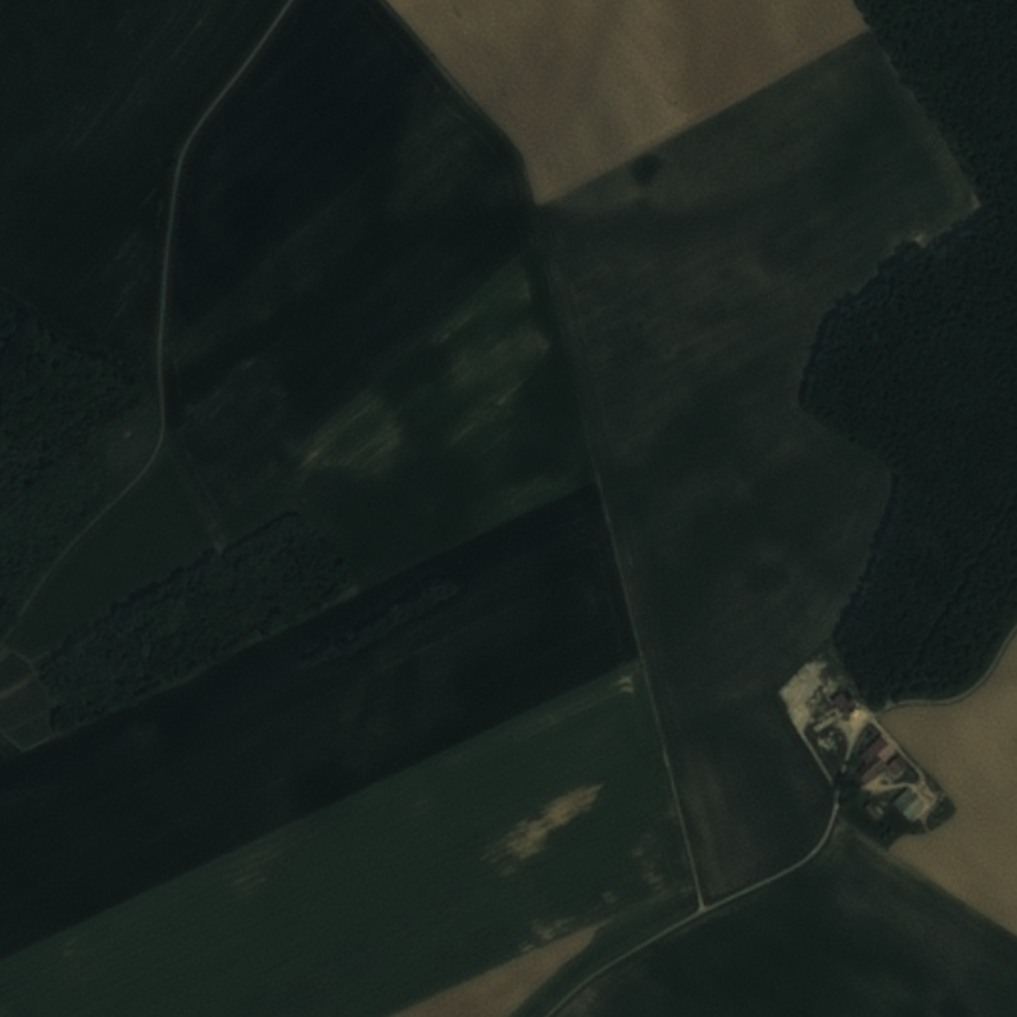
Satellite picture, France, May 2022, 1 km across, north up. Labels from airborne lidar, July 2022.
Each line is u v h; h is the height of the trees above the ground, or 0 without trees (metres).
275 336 0
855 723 0
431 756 0
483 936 0
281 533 16
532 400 0
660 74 0
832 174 0
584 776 0
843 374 23
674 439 0
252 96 0
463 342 0
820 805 0
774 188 0
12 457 19
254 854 0
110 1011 0
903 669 18
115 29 0
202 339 0
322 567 16
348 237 0
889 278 15
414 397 0
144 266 0
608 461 0
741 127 0
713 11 0
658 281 0
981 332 21
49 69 0
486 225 0
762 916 0
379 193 0
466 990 0
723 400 0
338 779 0
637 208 0
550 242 0
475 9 0
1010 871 0
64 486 22
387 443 0
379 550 0
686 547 0
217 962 0
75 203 0
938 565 22
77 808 0
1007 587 22
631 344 0
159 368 0
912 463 22
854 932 0
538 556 0
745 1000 0
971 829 0
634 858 0
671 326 0
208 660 11
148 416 0
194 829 0
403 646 0
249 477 0
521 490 0
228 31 0
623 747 0
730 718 0
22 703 0
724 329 0
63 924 0
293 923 0
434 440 0
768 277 0
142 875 0
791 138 0
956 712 0
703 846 0
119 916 0
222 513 0
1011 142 22
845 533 0
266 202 0
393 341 0
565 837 0
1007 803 0
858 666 13
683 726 0
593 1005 0
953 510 22
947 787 0
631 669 0
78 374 22
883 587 18
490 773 0
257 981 0
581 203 0
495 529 0
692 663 0
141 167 0
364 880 0
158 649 18
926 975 0
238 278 0
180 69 0
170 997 0
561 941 0
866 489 0
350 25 0
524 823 0
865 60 0
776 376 0
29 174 0
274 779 0
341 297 0
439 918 0
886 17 21
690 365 0
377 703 0
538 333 0
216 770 0
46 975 0
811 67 0
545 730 0
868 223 0
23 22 0
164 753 0
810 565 0
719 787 0
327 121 0
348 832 0
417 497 0
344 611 0
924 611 20
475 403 0
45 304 0
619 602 0
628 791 0
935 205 0
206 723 0
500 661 0
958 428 20
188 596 16
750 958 0
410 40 0
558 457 0
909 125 0
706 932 0
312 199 0
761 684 0
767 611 0
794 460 0
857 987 0
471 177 0
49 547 17
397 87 0
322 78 0
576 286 0
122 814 0
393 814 0
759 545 0
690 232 0
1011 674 0
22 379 26
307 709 0
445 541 0
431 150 0
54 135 0
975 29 24
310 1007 0
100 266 0
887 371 24
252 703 0
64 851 0
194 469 0
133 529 0
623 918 0
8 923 0
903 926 0
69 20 0
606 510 0
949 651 21
